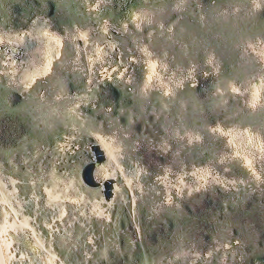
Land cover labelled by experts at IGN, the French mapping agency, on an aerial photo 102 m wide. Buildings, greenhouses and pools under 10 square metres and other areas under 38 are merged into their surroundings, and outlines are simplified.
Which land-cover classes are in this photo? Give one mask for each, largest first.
<instances>
[{"label":"herbaceous vegetation","instance_id":"1","mask_svg":"<svg viewBox=\"0 0 264 264\"><path fill-rule=\"evenodd\" d=\"M137 9L153 11V25L142 24V31H138L132 22L133 13ZM42 15L52 21L51 31L63 35L66 30L77 25L89 34L87 51L91 52L99 43L107 53L105 63L94 65L91 84L87 82L89 66L85 53L80 54L81 67H84L85 71L72 72L76 53L74 46L67 40L63 42L61 57L54 62L52 72L37 79L28 92L20 95L24 87L12 85L7 88L6 77L2 75L0 78V171L19 179L16 188L25 200L29 199L32 192H36L39 197L36 221L40 231L45 240L49 241V234L43 224H51L52 218L59 216L58 209H51L45 205L46 195L43 187L49 179L51 169H57L58 175L64 180L75 178L74 186L90 200H100L105 196V188L90 187L82 177V172L89 164L98 167L105 161V155L98 141L90 135L95 132L117 138L114 146L122 147L124 168L134 169L135 163L138 162L147 169V175L140 176L143 192L133 191L137 201L136 214H132L131 195L120 171L117 172V179H112L113 184L118 185L124 192L127 204H114L110 222L94 218L92 223H88L75 210V204L66 202V217L56 222L59 232H54L53 235L56 254L65 264H181L183 261L176 260L174 254L189 250L192 243H195L198 253L201 254L196 264H264V160H255L256 170L262 177L261 181L256 180L250 171L243 167L244 161L241 159L236 158L233 162L226 161L220 164L221 155L230 154L232 151L226 137L218 132L210 133L209 128L216 125H221L224 129L250 127L253 133L262 136L264 141V90L259 105L251 108V96L232 93L229 85L232 81L242 91L246 87L259 84V78L264 79V0H0V32L15 34L28 30L36 16ZM104 20H107L110 24H113L118 28H120L121 26H123L124 23H126L128 24V32L125 35L121 34L120 36H112V34L109 31L107 34H105L101 31V26L103 25ZM144 45L172 69L176 66L190 69V65L195 64L196 78L207 72L211 81L209 87L202 89L205 97L199 99L196 87H191V81H186L184 89H179L174 96L152 91L147 98H141L140 93L147 72L143 64L145 57L140 52ZM165 165L172 169L170 178H176L178 173L191 172L193 166H207L216 168L221 176L229 179L242 178L245 186L237 185L238 191H227L220 186L212 185L206 187V191L193 194L187 200L183 199L181 207L176 209L171 204H166L164 186L155 179L164 175Z\"/></svg>","mask_w":264,"mask_h":264},{"label":"bare soil","instance_id":"2","mask_svg":"<svg viewBox=\"0 0 264 264\"><path fill-rule=\"evenodd\" d=\"M153 11L137 9L133 13L132 22L138 31H142V24L153 25ZM52 21L42 15L36 16L28 30L15 34L0 32V78L2 75L6 77L7 88L12 85L24 87L20 95L28 92L37 79L52 72L54 62L61 57L63 42L67 40L74 46L76 53L72 72L85 71L84 67H81L80 54L85 53L89 66L87 82L91 84L94 65L105 63L107 53L99 43L91 52L87 51L89 34L77 25L66 30L63 35L51 31ZM101 31L105 34H107L109 31L112 34V36H120L121 34L125 35L128 32V24L126 23H124L123 26H121L120 28H118L113 24H110L107 20H104L103 25L101 26ZM140 52L145 57L143 64L147 72L140 93L141 98H147L152 91L174 96L179 89H184L186 81H191V87H196L199 99L205 97L202 89L209 87L211 81L207 72L196 78L195 64L190 65V69L176 66L172 69L144 45ZM232 93L251 96V108L259 105L264 90V79L259 78V84L246 87L242 91L232 81L229 85ZM210 133L218 132L226 137L232 151L230 154L221 155L220 164L226 161L233 162L236 158L241 159L244 161L243 167L250 171L256 180L261 181L262 177L256 170L255 160H264V141L262 136L253 133L250 127L224 129L221 125H216L209 128ZM126 175L132 178L133 191L143 192L140 176L147 175V169L138 162L135 163L134 169L124 168ZM82 177L90 187L105 188V196L100 200H90L74 186L75 178L64 180L58 175L57 169H51L49 179L43 187L46 195L45 205L51 209H58L59 216L52 218L51 224H43L49 234V241L45 240V249L56 254L53 235L54 232H59L56 222L66 217V202L75 204V210L88 223H92L94 218L110 222L114 204H127L124 192L118 185L113 184L112 179L105 180L98 167L89 164L82 172ZM172 169L165 165L164 175L155 179L164 186L166 204H171L176 209L181 207L183 199L187 200L193 194L206 191V187L212 185L220 186L227 191H238L237 185L245 186L242 178L229 179L221 176L216 168L207 166H193L191 172L178 173L176 178H170ZM19 179L0 171V193L3 192L7 200L12 202L14 209L19 212V220L26 216L31 217L30 225L36 231H40L36 221L39 197L36 192H32L29 199L25 200L16 188ZM13 240L10 252L15 254L10 264H47L45 253L33 244L31 231L27 230L18 234L9 231ZM176 260L183 261L181 264H196L201 254L198 253L195 243H192L189 250L174 254Z\"/></svg>","mask_w":264,"mask_h":264},{"label":"pervious surface","instance_id":"3","mask_svg":"<svg viewBox=\"0 0 264 264\"><path fill-rule=\"evenodd\" d=\"M90 135L98 141L105 155V161L98 167L105 180L112 179H117V172L120 171L131 195L132 214H136L137 201L133 191L132 178L126 175L124 168L122 147L114 146L117 138L95 132ZM31 217L26 216L19 220V212L14 209L12 202L7 200L3 192L0 193V264H10L15 254L10 252L13 240L9 231L18 234L27 230L31 231L33 244L45 253L47 264H65L56 254L45 249V240L40 231H36L30 225Z\"/></svg>","mask_w":264,"mask_h":264}]
</instances>
